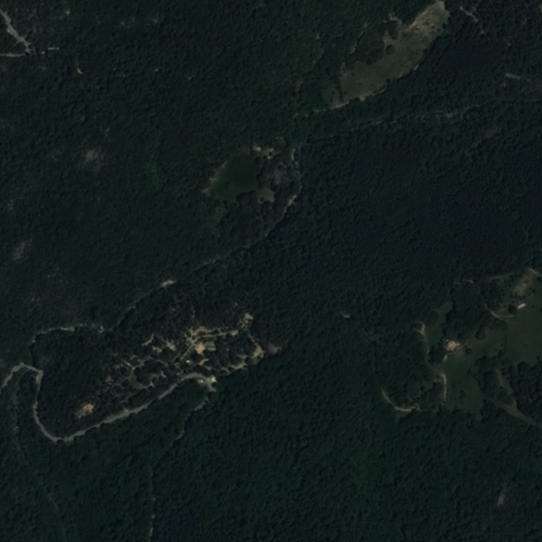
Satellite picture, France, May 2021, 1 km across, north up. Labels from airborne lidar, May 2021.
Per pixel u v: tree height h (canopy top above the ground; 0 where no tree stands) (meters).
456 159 24
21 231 10
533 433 24
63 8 7
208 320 22
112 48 19
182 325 19
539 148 26
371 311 18
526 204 23
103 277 11
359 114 15
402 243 23
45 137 14
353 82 0
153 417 14
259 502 16
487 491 18
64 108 15
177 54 27
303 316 24
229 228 24
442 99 29
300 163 12
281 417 23
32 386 17
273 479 15
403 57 0
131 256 19
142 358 7
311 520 24
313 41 16
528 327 0
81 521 8
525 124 28
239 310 9
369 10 8
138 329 28
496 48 24
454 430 22
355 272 20
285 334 24
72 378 12
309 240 23
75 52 8
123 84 15
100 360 33
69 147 8
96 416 10
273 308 19
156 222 19
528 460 21
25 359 7
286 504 15
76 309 7
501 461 26
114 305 13
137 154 17
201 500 24
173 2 17
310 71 9
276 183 6
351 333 17
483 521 21
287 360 17
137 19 9
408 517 28
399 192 22
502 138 7
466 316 18
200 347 0
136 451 21
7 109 12
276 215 22
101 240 21
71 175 10
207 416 9
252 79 14
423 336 13
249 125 15
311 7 14
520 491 15
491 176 25
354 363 15
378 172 27
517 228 25
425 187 23
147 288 10
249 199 14
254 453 17
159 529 24
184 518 24
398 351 17
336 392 14
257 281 12
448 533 19
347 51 12
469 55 24
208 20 23
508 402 17
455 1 16
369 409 17
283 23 8
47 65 9
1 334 12
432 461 24
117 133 13
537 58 17
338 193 18
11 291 10
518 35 20
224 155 14
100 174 6
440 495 24
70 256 9
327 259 22
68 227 16
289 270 18
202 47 16
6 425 14
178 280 12
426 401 14
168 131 16
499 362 12
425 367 14
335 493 17
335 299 17
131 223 21
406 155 26
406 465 22
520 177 24
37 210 8
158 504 16
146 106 16
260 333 25
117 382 22
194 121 26
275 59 14
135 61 24
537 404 18
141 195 27
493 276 14
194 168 8
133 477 21
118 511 14
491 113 22
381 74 0
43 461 10
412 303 20
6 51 8
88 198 6
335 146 21
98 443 24
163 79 17
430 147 23
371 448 20
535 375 16
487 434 20
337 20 10
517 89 14
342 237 23
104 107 11
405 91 24
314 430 26
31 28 7
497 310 11
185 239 14
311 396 19
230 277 11
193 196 18
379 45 8
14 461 15
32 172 5
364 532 23
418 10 10
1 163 16
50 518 22
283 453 14
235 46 21
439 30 7
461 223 25
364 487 14
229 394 25
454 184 22
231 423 14
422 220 17
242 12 24
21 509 28
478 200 25
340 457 19
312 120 19
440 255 23
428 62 17
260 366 19
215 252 18
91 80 20
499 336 0
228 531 28
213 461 24
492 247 26
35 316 12
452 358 0
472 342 0
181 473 26
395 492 15
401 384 19
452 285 19
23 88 7
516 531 25
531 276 0
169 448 16
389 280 23
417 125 17
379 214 22
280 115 13
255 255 19
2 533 26
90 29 8
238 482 17
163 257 16
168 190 24
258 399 23
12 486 12
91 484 7
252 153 10
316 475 19
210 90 17
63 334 10
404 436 20
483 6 21
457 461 16
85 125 10
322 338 25
